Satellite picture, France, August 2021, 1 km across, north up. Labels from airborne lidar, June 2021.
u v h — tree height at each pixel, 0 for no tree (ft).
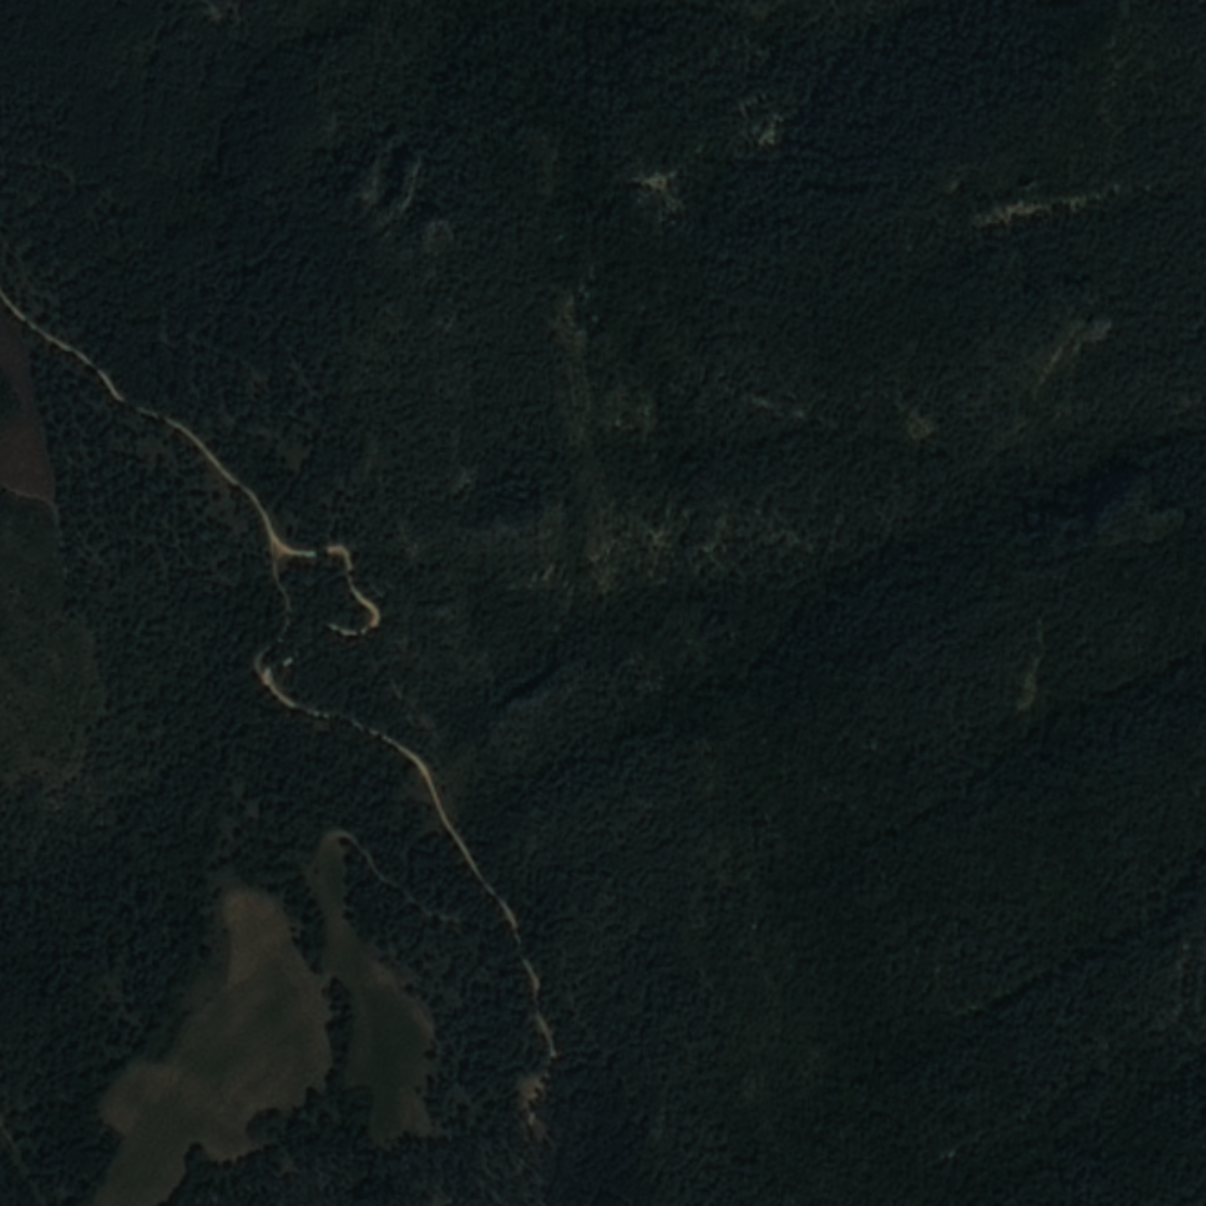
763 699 37
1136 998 54
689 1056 40
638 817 20
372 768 36
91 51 39
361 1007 0
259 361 34
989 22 60
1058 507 59
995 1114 43
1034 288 40
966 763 39
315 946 19
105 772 38
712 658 28
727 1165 30
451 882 37
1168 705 50
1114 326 19
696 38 40
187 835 32
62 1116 38
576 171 27
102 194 43
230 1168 37
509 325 33
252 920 0
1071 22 44
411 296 22
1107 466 73
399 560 35
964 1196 35
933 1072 33
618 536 28
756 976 21
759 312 22
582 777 52
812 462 34
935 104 53
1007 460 68
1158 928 41
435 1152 54
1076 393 23
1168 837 31
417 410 22
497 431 35
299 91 44
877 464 34
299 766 28
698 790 24
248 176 45
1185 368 29
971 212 50
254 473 20
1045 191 30
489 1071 38
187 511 29
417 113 27
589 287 48
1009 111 29
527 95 47
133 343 50
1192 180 24
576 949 23
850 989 26
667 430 29
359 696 33
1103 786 42
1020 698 31
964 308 36
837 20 53
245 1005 0
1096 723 47
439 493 26
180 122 33
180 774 34
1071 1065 48
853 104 49
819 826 29
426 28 24
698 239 36
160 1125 0
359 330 26
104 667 26
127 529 32
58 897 61
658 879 23
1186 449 59
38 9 45
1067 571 38
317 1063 0
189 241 35
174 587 32
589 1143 46
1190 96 42
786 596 33
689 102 40
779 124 23
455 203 41
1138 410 26
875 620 41
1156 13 20
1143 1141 37
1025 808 37
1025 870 25
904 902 38
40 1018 36
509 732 21
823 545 38
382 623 22
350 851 29
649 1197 35
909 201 46
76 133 34
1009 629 41
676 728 23
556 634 50
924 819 40
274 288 24
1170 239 31
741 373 34
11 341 0
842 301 27
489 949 37
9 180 22
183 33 34
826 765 39
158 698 21
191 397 38
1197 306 46
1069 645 46
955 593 38
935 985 31
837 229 39
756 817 32
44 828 30
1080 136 27
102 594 22
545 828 21
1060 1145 39
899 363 19
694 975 30
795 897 30
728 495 28
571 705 31
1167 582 37
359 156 58
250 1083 0
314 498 32
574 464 28
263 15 34
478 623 36
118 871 57
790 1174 26
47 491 0
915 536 30
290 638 33
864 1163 31
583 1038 26
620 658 27
